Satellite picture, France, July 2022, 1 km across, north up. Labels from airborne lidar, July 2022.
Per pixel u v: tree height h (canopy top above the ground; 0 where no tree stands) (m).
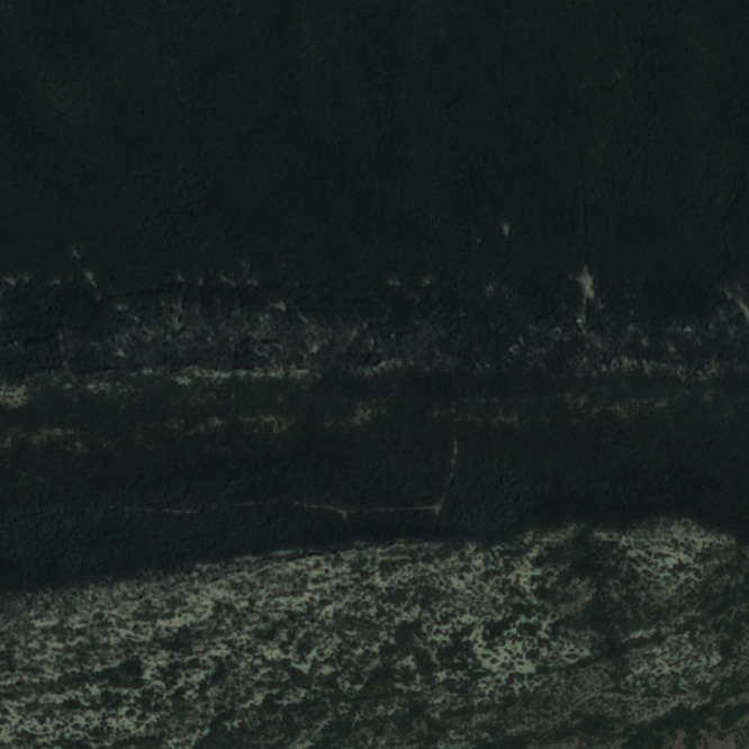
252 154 8
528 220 10
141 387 6
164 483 6
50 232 7
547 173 8
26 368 7
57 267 9
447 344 7
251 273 8
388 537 7
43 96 6
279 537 7
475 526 9
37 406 6
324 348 7
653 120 10
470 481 7
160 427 6
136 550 6
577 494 9
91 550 8
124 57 6
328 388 9
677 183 6
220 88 7
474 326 7
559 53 6
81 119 7
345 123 10
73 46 10
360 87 8
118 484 10
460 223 10
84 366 10
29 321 8
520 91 8
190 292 12
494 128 9
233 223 11
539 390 5
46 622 0
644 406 8
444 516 6
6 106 9
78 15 9
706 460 6
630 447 6
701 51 6
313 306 8
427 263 8
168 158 10
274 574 0
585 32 8
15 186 10
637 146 11
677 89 6
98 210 8
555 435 6
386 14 11
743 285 6
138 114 8
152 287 11
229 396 5
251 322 8
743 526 8
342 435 5
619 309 7
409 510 6
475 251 8
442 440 6
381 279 8
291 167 9
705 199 6
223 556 7
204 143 9
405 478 8
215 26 8
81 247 7
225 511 8
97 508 13
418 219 9
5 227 7
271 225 8
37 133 9
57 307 8
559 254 8
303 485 7
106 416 7
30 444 6
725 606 6
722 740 6
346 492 6
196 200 9
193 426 6
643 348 9
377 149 14
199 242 10
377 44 11
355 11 11
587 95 6
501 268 8
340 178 11
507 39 9
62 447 5
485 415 6
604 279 8
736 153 7
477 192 11
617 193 10
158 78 10
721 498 8
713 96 10
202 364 7
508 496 6
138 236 9
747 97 8
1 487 7
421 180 6
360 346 7
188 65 8
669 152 9
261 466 10
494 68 7
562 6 9
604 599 6
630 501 8
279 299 9
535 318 7
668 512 7
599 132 6
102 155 6
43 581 8
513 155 11
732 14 5
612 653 8
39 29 8
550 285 8
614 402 6
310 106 6
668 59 8
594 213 9
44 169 10
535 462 6
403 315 11
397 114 9
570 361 7
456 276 7
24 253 8
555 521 9
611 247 8
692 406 7
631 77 7
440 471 6
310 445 7
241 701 6
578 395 6
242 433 8
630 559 6
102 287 8
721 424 7
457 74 9
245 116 7
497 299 10
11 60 8
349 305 10
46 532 9
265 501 6
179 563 7
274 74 6
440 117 9
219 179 10
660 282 8
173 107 9
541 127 7
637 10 6
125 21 6
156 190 11
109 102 7
